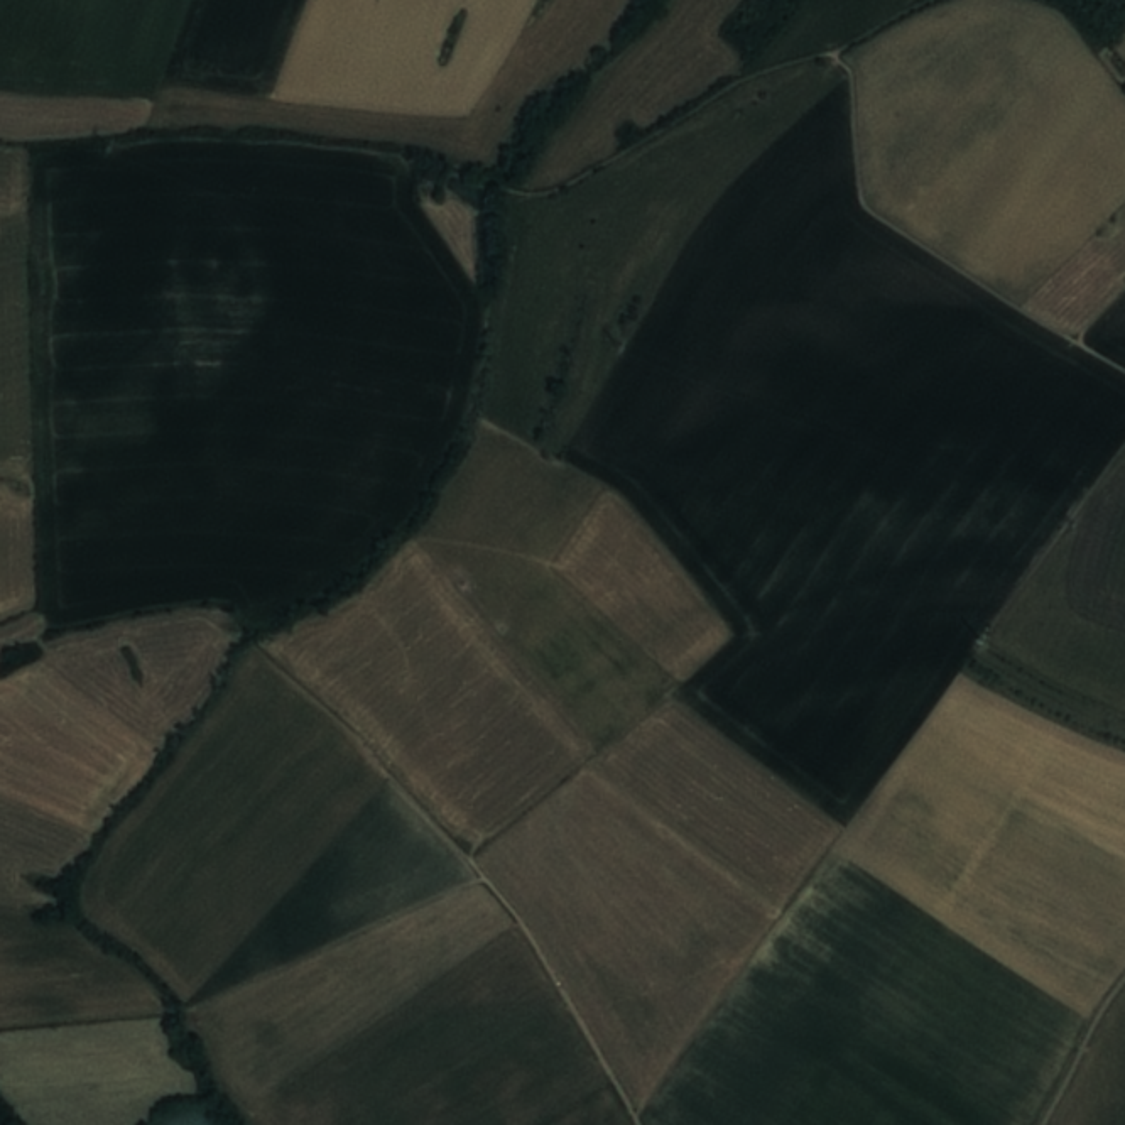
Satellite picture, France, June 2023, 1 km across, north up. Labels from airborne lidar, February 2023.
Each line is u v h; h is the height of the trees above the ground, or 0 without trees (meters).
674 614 0
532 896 0
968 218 0
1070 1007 0
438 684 0
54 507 0
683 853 0
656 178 0
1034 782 0
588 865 0
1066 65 0
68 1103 0
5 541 0
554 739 0
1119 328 0
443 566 0
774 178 0
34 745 0
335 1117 0
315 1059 0
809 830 0
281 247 0
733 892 0
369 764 0
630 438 0
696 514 0
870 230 0
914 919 0
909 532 0
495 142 0
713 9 0
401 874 0
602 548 0
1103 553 0
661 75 0
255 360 0
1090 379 0
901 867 0
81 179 0
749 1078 0
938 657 0
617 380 0
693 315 0
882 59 0
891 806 0
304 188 0
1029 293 0
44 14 0
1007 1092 0
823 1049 0
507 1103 0
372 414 0
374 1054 0
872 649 0
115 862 0
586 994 0
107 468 0
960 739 0
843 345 0
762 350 0
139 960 16
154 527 0
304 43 0
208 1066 7
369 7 0
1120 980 0
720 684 0
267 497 0
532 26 0
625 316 9
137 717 0
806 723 0
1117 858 0
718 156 0
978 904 0
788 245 0
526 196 0
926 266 0
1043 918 0
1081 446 0
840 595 0
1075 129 0
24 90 0
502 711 0
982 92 0
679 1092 0
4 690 0
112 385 0
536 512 0
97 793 0
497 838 0
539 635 0
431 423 0
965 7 0
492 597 0
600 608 0
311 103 0
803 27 0
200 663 0
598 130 0
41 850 0
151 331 0
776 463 0
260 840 0
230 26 0
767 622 0
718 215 0
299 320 0
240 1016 0
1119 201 0
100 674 0
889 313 0
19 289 0
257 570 0
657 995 0
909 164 0
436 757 0
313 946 0
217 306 0
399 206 0
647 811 0
